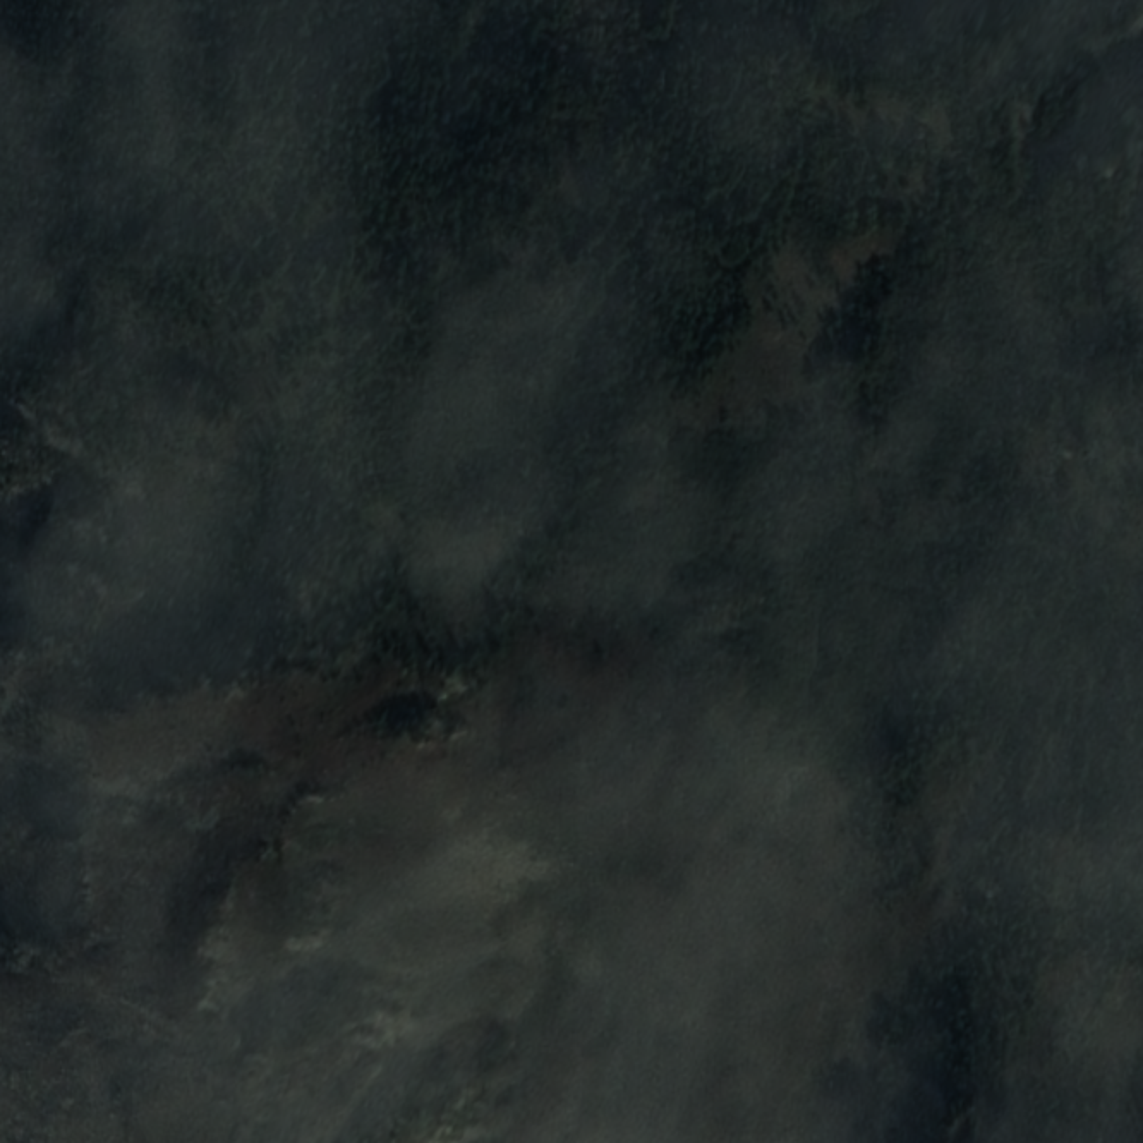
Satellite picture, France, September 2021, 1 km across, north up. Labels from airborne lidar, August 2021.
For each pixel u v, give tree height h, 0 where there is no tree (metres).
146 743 0
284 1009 0
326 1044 0
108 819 0
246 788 0
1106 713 15
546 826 0
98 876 0
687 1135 0
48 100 18
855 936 0
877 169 6
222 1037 0
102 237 13
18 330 8
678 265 26
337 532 8
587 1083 0
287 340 10
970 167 11
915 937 0
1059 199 15
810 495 6
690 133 24
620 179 10
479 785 0
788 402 0
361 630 9
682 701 0
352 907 0
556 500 7
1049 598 26
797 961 0
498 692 0
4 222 7
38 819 0
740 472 7
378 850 0
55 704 0
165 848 0
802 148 8
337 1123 0
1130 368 23
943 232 9
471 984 0
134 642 6
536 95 12
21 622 7
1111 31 14
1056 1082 0
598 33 10
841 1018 0
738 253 15
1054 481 0
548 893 0
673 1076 0
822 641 6
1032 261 10
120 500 0
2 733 0
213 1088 0
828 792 0
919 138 12
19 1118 0
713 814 0
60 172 19
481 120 9
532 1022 0
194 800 0
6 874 0
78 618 6
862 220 9
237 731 0
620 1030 0
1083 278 11
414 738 9
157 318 10
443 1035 0
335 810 0
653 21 18
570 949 0
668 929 0
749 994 0
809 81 15
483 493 8
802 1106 0
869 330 16
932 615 6
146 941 0
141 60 14
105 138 25
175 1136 0
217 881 0
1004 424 11
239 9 25
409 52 21
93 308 8
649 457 6
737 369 0
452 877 0
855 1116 0
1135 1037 0
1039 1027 0
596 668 0
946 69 11
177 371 7
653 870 0
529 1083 0
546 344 8
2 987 0
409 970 0
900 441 6
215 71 21
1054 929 11
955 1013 13
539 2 9
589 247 20
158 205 6
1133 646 8
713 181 22
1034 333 6
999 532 11
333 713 0
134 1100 0
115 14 23
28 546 7
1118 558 6
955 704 16
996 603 20
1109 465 14
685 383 12
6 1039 0
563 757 0
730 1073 0
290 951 0
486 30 8
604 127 8
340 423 7
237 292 19
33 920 0
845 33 7
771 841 0
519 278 11
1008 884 9
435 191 24
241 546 10
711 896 0
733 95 22
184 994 0
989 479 15
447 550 0
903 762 13
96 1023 0
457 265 10
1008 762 12
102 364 6
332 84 21
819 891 0
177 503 0
